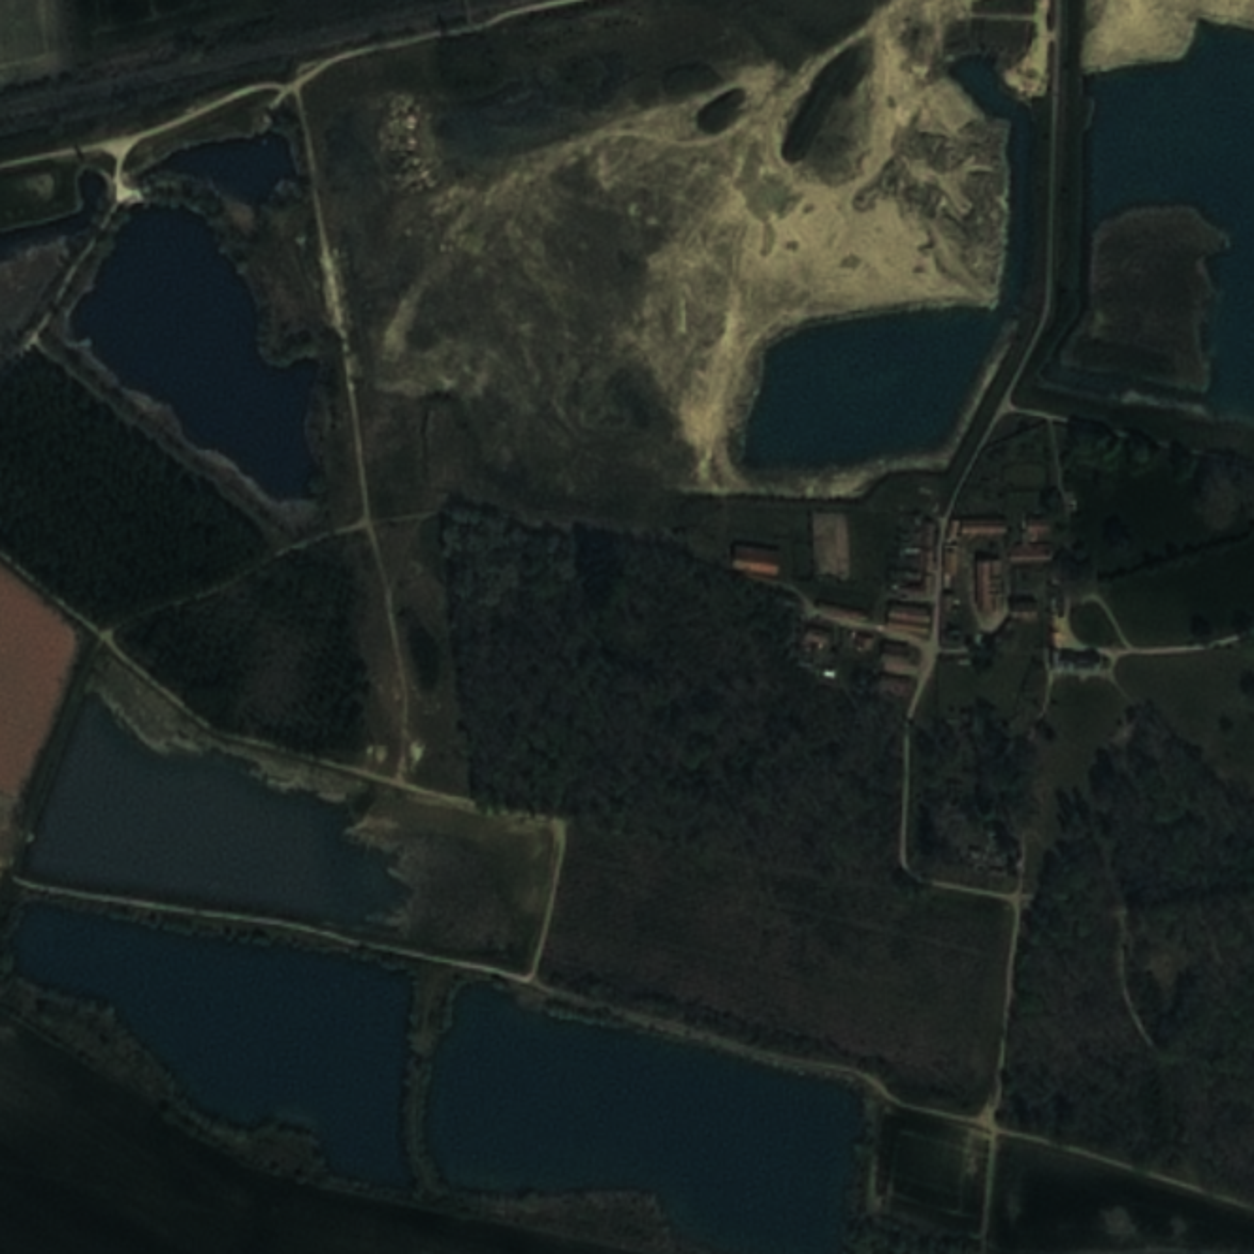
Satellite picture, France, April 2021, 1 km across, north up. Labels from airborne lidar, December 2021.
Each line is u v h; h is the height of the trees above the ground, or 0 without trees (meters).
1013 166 0
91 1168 0
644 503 0
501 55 0
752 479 0
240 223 0
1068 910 20
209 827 0
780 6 0
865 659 0
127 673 0
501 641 23
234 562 20
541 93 0
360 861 0
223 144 0
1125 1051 11
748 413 0
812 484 0
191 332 0
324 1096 0
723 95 0
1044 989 19
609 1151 0
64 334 0
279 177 0
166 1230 0
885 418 0
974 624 0
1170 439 0
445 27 13
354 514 0
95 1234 0
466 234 0
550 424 0
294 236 0
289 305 0
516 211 0
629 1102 0
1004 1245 0
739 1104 0
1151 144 0
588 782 22
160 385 0
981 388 0
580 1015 8
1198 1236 0
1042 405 0
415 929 0
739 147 0
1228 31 0
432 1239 0
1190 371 0
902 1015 0
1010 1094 7
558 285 0
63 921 0
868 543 0
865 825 20
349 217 0
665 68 0
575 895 0
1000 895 0
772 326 0
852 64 0
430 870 0
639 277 0
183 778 0
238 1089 0
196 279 0
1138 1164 14
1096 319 0
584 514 0
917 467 0
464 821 0
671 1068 0
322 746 11
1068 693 0
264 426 0
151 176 0
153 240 0
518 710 26
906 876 13
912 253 0
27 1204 0
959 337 0
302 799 0
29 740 0
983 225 0
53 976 0
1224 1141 20
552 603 26
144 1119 0
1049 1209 0
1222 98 0
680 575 20
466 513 16
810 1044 7
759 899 0
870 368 0
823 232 0
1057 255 0
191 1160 0
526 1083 0
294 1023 0
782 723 8
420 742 0
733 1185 0
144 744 0
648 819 24
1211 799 27
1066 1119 22
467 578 16
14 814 0
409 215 0
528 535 12
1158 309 0
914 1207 0
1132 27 0
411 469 0
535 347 0
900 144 0
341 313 0
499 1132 0
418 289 0
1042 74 0
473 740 20
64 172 0
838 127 0
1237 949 15
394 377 0
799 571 0
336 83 0
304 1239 0
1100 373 0
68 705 0
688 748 22
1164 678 0
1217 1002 20
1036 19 0
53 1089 0
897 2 0
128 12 0
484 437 0
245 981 0
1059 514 13
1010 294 0
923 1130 0
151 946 0
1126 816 22
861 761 20
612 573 21
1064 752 0
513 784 11
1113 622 0
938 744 11
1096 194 0
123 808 0
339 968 0
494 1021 0
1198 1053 19
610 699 25
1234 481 31
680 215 0
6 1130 0
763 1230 0
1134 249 0
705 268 0
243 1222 0
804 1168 0
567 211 0
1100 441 22
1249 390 0
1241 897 11
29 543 18
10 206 0
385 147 0
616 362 0
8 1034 0
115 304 0
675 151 0
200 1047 0
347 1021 0
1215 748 0
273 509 0
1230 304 0
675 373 0
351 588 8
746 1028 9
